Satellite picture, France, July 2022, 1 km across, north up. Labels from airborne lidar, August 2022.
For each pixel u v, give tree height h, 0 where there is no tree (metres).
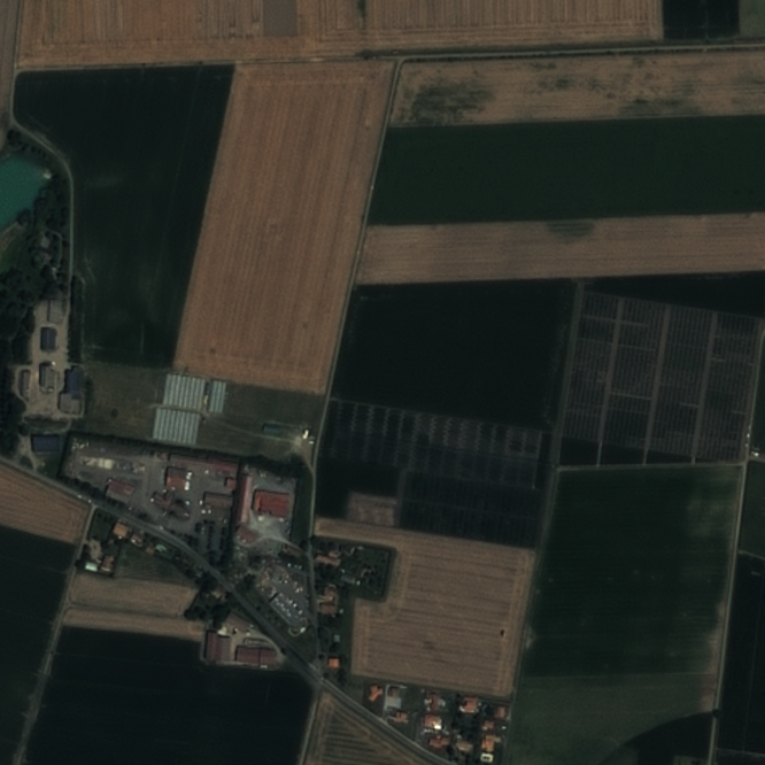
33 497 0
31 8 0
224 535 8
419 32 0
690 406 0
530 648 0
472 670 0
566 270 0
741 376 0
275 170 0
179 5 0
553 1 0
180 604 0
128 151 0
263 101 0
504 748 0
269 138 0
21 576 0
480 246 0
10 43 0
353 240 0
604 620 0
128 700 0
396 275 0
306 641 0
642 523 0
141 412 0
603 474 0
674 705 0
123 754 0
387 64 0
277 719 0
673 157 0
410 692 0
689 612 0
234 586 0
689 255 0
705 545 0
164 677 0
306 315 0
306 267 0
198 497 0
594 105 0
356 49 0
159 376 0
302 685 0
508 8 0
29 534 0
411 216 0
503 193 0
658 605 0
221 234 0
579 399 0
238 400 0
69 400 0
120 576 0
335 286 0
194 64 0
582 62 0
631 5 0
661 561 0
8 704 0
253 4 0
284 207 0
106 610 0
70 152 0
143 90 0
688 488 0
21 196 0
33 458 0
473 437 0
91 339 0
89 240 0
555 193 0
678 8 0
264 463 6
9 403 17
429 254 0
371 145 0
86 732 0
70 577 0
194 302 0
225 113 0
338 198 0
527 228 0
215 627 10
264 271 0
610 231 0
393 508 0
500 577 0
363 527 0
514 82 0
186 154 0
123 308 0
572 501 0
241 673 0
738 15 0
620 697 0
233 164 0
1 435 10
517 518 0
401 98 0
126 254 0
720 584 0
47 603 0
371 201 0
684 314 0
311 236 0
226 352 0
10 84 0
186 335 0
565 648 0
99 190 0
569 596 0
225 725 0
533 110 0
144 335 0
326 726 0
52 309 0
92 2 0
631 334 0
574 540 0
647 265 0
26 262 0
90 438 9
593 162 0
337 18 0
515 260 0
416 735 0
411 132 0
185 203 0
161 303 0
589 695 0
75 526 0
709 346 0
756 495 0
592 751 0
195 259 0
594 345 0
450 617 0
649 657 0
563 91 0
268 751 0
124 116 0
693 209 0
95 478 0
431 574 0
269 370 0
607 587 0
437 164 0
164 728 0
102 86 0
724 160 0
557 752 0
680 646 0
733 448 0
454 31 0
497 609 0
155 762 0
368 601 0
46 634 0
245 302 0
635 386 0
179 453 8
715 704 0
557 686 0
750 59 0
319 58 0
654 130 0
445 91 0
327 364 0
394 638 0
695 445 0
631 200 0
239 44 0
